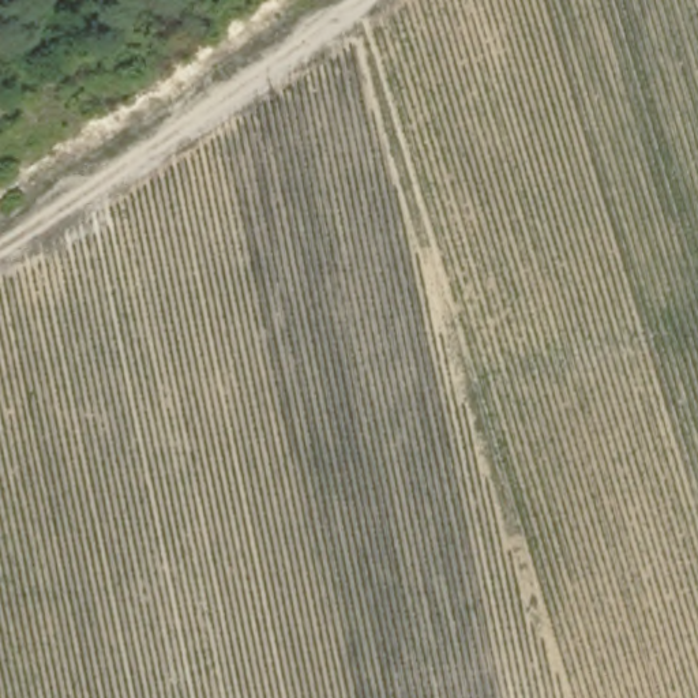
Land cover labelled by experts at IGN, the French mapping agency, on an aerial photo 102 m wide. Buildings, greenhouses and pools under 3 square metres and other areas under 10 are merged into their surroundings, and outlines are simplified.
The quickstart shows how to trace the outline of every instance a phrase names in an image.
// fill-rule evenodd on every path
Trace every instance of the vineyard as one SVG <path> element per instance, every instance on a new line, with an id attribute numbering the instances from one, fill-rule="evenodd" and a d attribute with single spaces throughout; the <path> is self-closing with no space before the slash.
<path id="1" fill-rule="evenodd" d="M 218 123 L 215 128 L 180 142 L 175 150 L 164 155 L 164 166 L 153 169 L 147 177 L 136 177 L 112 188 L 109 229 L 93 234 L 90 215 L 85 210 L 76 210 L 44 234 L 33 237 L 27 248 L 22 248 L 16 256 L 0 259 L 0 698 L 698 698 L 698 0 L 379 0 L 349 30 L 341 30 L 327 46 L 314 52 L 305 63 L 297 63 L 286 74 L 286 85 L 267 90 L 267 95 L 240 106 L 229 120 Z"/>

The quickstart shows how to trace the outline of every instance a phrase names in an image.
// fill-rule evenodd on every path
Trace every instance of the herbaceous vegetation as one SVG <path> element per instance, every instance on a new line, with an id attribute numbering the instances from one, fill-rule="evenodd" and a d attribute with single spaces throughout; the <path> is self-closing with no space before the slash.
<path id="1" fill-rule="evenodd" d="M 139 93 L 131 104 L 123 104 L 104 117 L 87 120 L 76 136 L 57 142 L 38 161 L 19 166 L 14 180 L 25 194 L 25 204 L 8 215 L 0 213 L 0 234 L 22 224 L 33 210 L 52 204 L 71 188 L 76 188 L 82 177 L 95 175 L 106 161 L 123 155 L 136 142 L 153 136 L 169 117 L 183 117 L 185 112 L 191 112 L 215 85 L 232 79 L 243 68 L 262 60 L 264 52 L 284 44 L 308 14 L 338 5 L 344 0 L 264 0 L 251 16 L 234 19 L 218 44 L 207 46 L 202 46 L 191 63 L 177 65 L 166 79 Z"/>

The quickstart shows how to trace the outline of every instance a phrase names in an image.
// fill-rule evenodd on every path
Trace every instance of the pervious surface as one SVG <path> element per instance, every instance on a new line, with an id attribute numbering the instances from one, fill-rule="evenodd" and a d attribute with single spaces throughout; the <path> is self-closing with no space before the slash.
<path id="1" fill-rule="evenodd" d="M 308 14 L 284 44 L 264 52 L 262 60 L 243 68 L 232 79 L 215 85 L 191 112 L 185 112 L 183 117 L 169 117 L 153 136 L 136 142 L 123 155 L 106 161 L 95 175 L 82 177 L 76 188 L 71 188 L 52 204 L 33 210 L 22 224 L 0 234 L 0 259 L 16 256 L 22 248 L 27 248 L 33 237 L 44 234 L 76 210 L 85 210 L 90 215 L 93 234 L 109 229 L 112 188 L 136 177 L 147 177 L 153 169 L 164 166 L 164 155 L 175 150 L 180 142 L 215 128 L 218 123 L 229 120 L 240 106 L 267 95 L 267 90 L 286 85 L 286 74 L 297 63 L 305 63 L 314 52 L 327 46 L 341 30 L 349 30 L 379 0 L 344 0 L 338 5 Z"/>

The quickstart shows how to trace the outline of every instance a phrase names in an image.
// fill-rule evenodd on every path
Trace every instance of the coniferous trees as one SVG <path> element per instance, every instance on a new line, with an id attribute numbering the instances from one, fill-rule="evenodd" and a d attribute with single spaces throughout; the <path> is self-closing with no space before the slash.
<path id="1" fill-rule="evenodd" d="M 49 38 L 49 22 L 44 19 L 46 8 L 76 11 L 79 5 L 85 5 L 85 14 L 95 14 L 104 25 L 109 25 L 106 35 L 93 38 L 101 46 L 101 57 L 93 65 L 74 68 L 57 82 L 68 87 L 71 95 L 79 95 L 85 101 L 79 106 L 79 115 L 87 120 L 104 117 L 123 104 L 131 104 L 139 93 L 166 79 L 177 65 L 191 63 L 202 46 L 207 46 L 204 38 L 213 27 L 213 14 L 221 0 L 0 0 L 0 95 L 8 87 L 25 95 L 38 93 L 35 85 L 25 82 L 14 71 L 11 57 L 19 52 L 30 52 L 35 44 Z"/>

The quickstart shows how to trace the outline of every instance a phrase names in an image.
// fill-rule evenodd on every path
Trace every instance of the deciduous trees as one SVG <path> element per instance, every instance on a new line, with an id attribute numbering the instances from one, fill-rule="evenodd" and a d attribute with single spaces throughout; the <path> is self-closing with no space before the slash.
<path id="1" fill-rule="evenodd" d="M 0 213 L 8 215 L 25 204 L 25 194 L 14 180 L 19 166 L 38 161 L 57 142 L 76 136 L 87 120 L 79 115 L 79 106 L 85 101 L 79 95 L 71 95 L 68 87 L 57 82 L 74 68 L 93 65 L 101 57 L 101 46 L 93 38 L 106 35 L 109 25 L 104 25 L 95 14 L 85 14 L 85 5 L 79 5 L 76 11 L 46 8 L 44 19 L 49 22 L 49 38 L 35 44 L 30 52 L 19 52 L 11 57 L 14 71 L 25 82 L 35 85 L 38 93 L 25 95 L 8 87 L 0 95 Z"/>
<path id="2" fill-rule="evenodd" d="M 251 16 L 264 0 L 221 0 L 213 14 L 213 27 L 204 38 L 207 46 L 218 44 L 234 19 Z"/>

